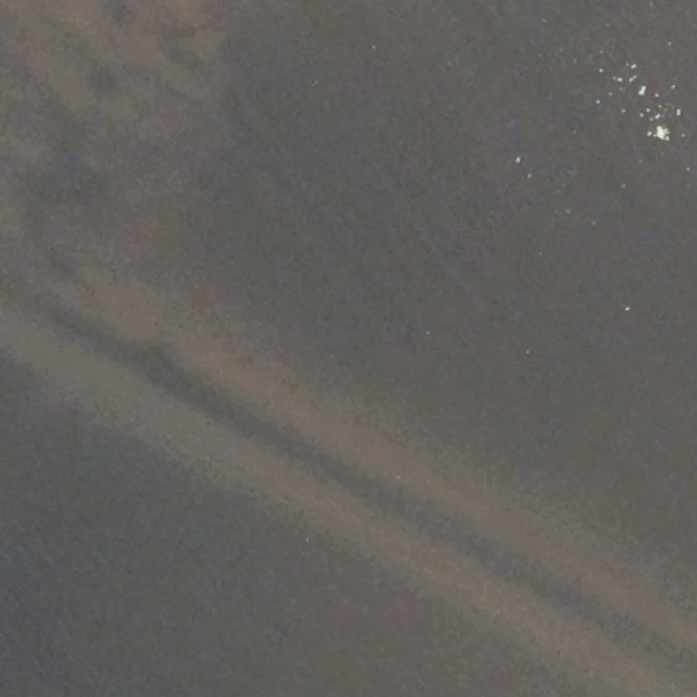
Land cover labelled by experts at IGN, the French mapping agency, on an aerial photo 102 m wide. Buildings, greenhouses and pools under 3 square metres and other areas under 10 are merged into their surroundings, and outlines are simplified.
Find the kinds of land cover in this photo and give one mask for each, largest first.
<instances>
[{"label":"water","instance_id":"1","mask_svg":"<svg viewBox=\"0 0 697 697\"><path fill-rule=\"evenodd\" d=\"M0 697H697V0H0Z\"/></svg>","mask_w":697,"mask_h":697}]
</instances>
